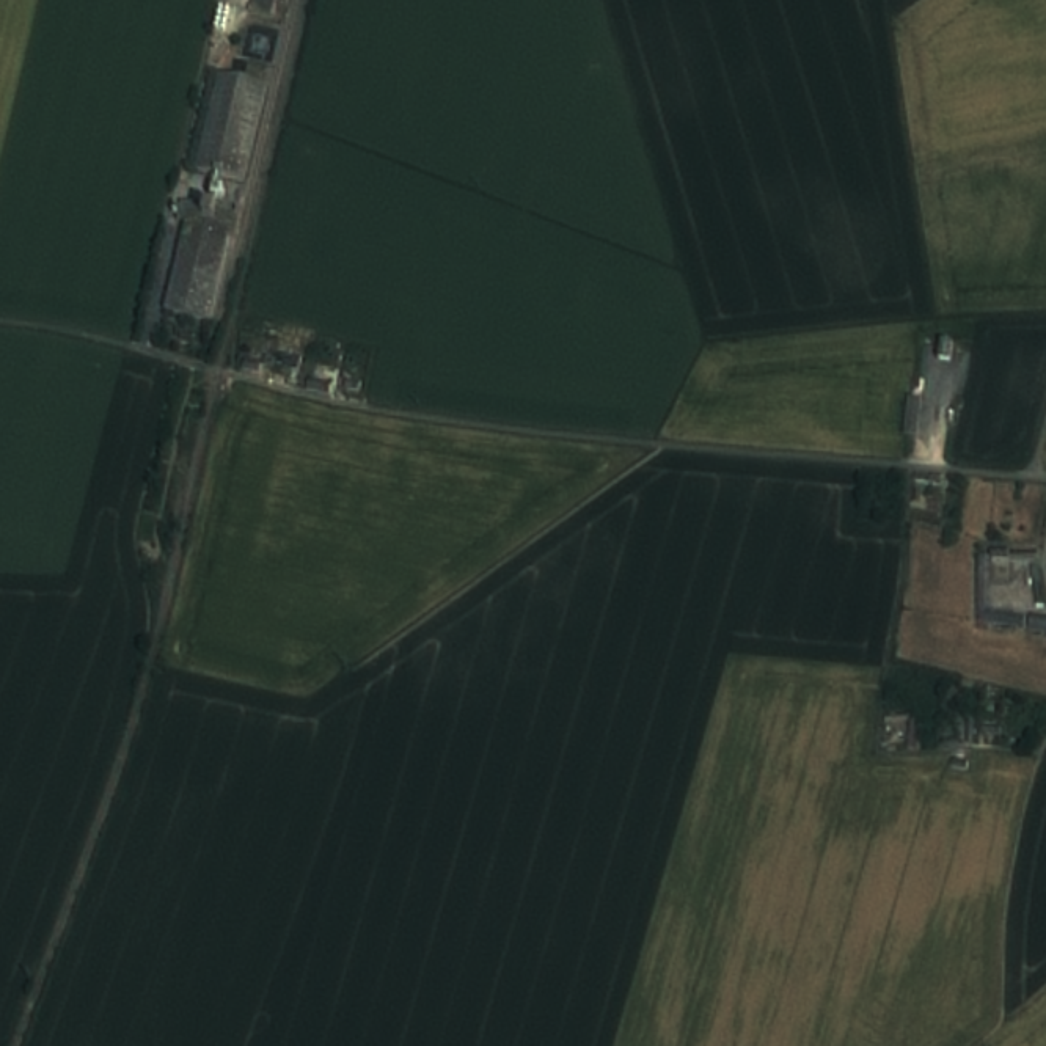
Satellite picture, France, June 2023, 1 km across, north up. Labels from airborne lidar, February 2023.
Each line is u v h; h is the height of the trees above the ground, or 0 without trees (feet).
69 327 0
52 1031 0
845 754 0
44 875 0
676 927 0
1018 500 25
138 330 48
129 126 0
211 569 0
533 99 0
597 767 0
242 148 0
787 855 0
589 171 0
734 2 0
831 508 0
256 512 0
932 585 0
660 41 0
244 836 0
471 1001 0
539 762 0
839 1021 0
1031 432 0
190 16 0
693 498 0
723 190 0
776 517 0
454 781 0
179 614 0
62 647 0
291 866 0
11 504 0
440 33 0
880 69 0
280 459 0
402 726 0
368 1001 0
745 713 0
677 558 0
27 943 0
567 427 0
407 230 0
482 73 0
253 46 0
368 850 0
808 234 0
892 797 0
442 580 0
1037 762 0
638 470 0
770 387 0
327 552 0
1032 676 0
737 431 0
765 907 0
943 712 19
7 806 0
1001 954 0
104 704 0
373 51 0
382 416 0
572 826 0
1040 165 0
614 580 0
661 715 0
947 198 0
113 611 0
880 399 0
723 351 0
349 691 0
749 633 0
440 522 0
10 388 0
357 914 0
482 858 0
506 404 0
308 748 0
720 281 0
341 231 0
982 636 0
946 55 0
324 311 0
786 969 0
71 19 0
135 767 0
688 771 0
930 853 0
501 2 0
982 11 0
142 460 0
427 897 0
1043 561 0
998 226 0
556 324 0
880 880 0
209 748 0
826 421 0
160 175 0
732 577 0
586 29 0
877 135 0
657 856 0
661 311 0
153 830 0
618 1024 0
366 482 0
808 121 0
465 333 0
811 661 0
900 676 0
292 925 0
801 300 0
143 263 0
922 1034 0
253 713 0
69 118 0
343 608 0
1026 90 0
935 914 0
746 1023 0
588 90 0
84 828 0
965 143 0
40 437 0
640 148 0
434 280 0
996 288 0
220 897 0
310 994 0
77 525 0
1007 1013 0
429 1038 0
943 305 0
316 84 0
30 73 0
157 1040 0
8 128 0
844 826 0
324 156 0
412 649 0
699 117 0
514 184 0
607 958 0
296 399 0
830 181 0
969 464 0
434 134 0
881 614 0
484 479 0
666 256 0
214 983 0
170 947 0
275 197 0
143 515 0
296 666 0
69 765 0
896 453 0
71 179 0
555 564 0
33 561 0
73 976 0
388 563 0
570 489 0
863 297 0
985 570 0
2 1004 0
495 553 0
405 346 0
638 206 0
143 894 0
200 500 0
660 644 0
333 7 0
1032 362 0
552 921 0
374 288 0
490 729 0
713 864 0
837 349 0
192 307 0
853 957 0
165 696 0
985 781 0
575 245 0
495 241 0
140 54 0
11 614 0
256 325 0
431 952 0
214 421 0
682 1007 0
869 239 0
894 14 0
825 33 0
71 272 0
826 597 0
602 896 0
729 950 0
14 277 0
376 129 0
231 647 0
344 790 0
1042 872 0
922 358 0
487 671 0
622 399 0
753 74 0
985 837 0
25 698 0
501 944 0
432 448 0
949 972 0
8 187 0
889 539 0
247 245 0
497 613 0
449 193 0
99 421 0
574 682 0
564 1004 0
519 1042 0
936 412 0
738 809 0
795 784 0
